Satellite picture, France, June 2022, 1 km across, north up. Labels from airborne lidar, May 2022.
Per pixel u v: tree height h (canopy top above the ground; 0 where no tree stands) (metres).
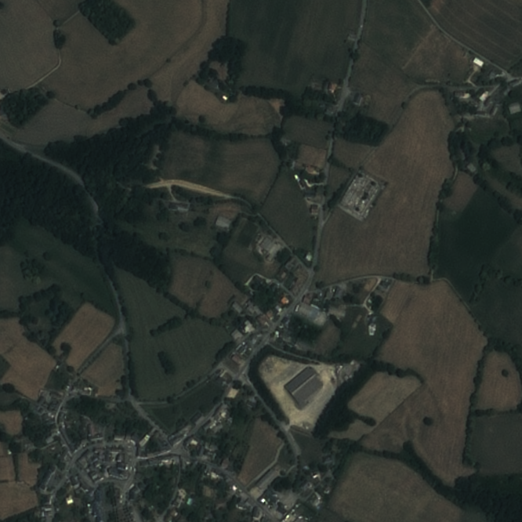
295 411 0
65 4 0
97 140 17
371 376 0
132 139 16
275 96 21
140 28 0
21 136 0
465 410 0
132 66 0
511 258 0
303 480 9
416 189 0
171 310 0
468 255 0
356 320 0
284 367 0
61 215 20
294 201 0
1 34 0
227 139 8
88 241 26
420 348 0
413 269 0
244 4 0
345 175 0
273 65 0
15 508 0
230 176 0
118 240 26
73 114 0
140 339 0
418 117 0
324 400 0
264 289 13
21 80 0
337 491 0
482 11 0
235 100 12
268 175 0
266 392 18
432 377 0
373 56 0
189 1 0
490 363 0
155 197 24
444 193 15
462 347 0
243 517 6
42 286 0
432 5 0
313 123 0
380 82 0
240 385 13
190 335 0
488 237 0
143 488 10
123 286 0
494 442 0
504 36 0
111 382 0
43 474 9
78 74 0
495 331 0
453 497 17
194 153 0
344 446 16
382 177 0
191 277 0
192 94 0
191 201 15
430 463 0
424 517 0
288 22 0
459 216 0
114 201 13
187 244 0
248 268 0
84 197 24
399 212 0
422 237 0
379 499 0
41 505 7
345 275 0
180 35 0
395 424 0
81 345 0
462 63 0
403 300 0
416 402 0
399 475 0
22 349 0
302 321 7
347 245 0
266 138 7
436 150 0
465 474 0
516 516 23
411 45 0
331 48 0
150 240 0
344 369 0
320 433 18
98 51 0
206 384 0
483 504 20
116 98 15
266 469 0
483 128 0
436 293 0
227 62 17
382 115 0
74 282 0
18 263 0
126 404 11
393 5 0
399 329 0
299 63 0
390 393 0
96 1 18
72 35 0
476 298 11
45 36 0
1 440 18
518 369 11
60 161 13
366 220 0
